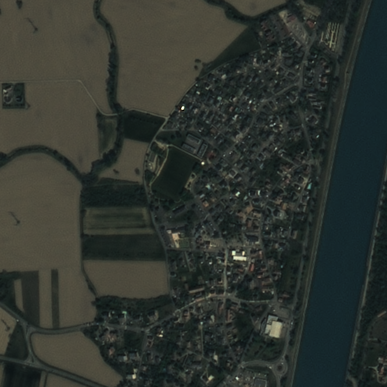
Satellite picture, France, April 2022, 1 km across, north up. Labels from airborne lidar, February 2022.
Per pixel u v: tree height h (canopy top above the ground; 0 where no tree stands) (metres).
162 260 0
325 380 0
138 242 0
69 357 0
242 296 0
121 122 10
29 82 0
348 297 0
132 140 0
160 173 0
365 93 0
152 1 0
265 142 0
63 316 0
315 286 0
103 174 0
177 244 0
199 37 0
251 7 0
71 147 0
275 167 10
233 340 0
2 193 0
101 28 0
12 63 0
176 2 0
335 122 0
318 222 0
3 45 0
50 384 0
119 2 0
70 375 0
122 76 0
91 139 0
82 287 0
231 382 0
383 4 0
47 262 0
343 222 0
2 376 0
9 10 0
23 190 0
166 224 0
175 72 0
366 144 0
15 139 0
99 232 0
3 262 0
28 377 0
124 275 0
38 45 0
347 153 0
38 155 0
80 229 0
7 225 0
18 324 0
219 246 0
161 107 0
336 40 0
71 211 0
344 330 0
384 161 0
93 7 0
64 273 0
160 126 0
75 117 0
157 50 0
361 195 0
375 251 12
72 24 0
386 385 0
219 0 0
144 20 0
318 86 0
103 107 0
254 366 0
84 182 16
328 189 0
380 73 0
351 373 15
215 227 0
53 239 0
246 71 0
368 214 0
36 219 0
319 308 0
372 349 7
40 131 0
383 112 0
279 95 0
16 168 0
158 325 0
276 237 0
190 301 0
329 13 15
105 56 0
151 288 0
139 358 0
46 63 0
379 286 11
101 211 0
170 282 0
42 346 0
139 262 0
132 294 0
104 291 0
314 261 0
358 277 0
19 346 0
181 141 0
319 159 0
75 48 0
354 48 0
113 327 0
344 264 0
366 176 0
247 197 0
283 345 0
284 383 12
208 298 0
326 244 0
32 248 0
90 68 0
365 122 0
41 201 0
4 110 0
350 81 0
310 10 0
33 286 0
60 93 0
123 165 0
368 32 0
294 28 0
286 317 0
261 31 0
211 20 0
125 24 0
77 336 0
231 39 0
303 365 0
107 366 0
